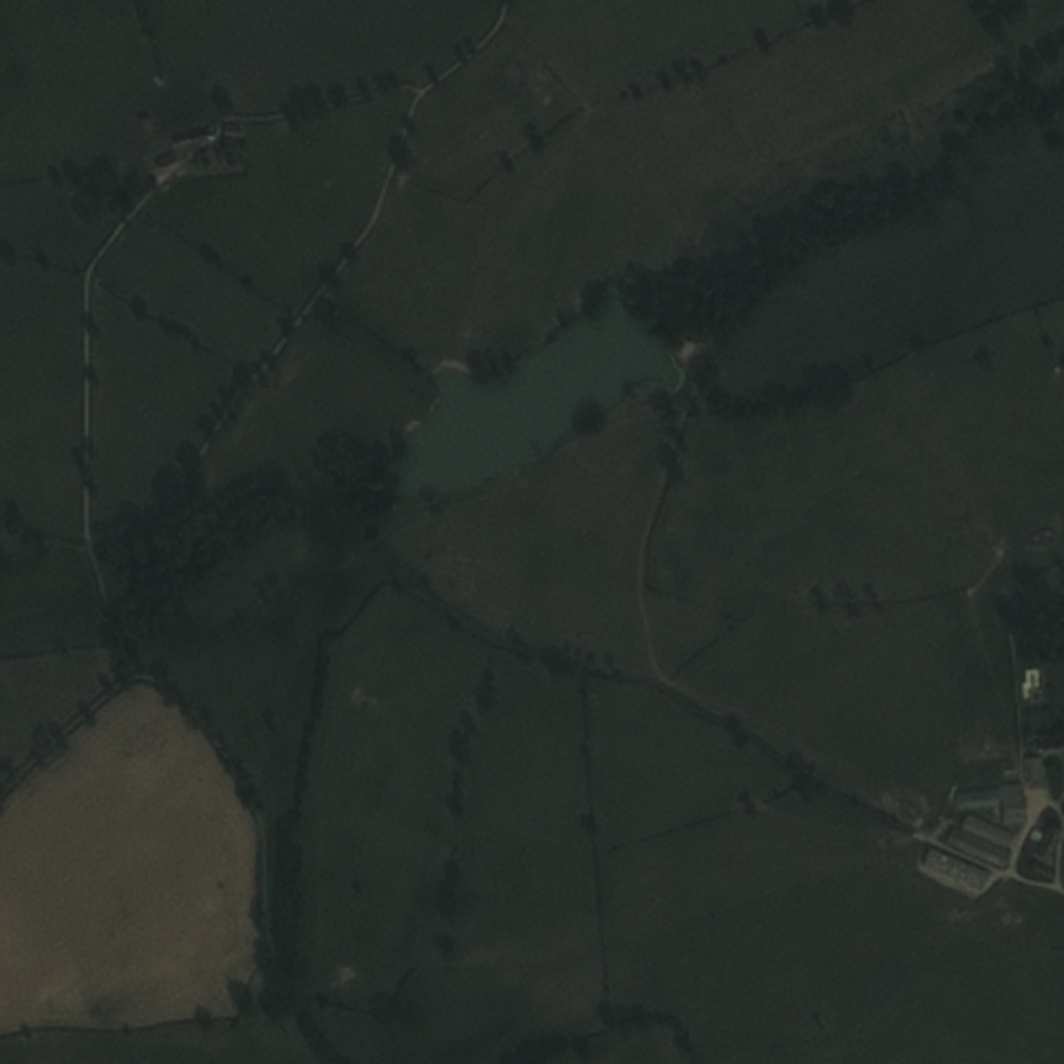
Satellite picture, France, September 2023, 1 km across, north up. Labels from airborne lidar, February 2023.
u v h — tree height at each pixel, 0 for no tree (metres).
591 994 0
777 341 0
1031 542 0
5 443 0
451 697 0
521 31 0
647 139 0
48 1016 0
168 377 0
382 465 25
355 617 0
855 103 0
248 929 0
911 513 0
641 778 0
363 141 0
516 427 0
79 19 0
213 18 0
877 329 0
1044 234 0
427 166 0
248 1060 0
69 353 0
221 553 29
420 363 20
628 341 0
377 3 0
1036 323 0
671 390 0
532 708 0
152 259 0
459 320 0
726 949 0
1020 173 0
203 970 0
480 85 0
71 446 0
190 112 0
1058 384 0
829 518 0
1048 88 0
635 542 0
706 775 0
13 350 0
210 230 0
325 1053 17
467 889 0
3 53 0
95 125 0
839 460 0
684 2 0
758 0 0
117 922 0
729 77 0
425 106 0
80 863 0
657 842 0
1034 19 0
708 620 0
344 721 0
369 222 0
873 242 0
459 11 0
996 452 0
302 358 0
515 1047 0
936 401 0
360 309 0
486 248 0
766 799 0
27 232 0
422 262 0
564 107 0
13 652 0
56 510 0
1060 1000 0
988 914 0
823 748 0
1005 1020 0
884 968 0
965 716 0
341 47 0
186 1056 0
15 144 0
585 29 0
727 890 0
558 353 0
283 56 0
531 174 0
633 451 0
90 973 0
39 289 0
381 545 12
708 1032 0
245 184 0
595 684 0
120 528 11
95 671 0
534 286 0
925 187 12
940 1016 0
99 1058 0
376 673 0
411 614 0
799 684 0
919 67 0
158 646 0
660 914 0
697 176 0
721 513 0
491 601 0
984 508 0
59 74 0
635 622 0
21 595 0
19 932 0
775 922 0
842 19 14
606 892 0
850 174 0
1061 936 0
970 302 0
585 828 9
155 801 0
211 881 0
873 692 0
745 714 0
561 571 0
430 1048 0
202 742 0
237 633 16
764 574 0
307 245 0
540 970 0
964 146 13
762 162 0
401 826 0
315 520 0
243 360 0
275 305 0
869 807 0
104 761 0
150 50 0
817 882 0
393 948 0
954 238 0
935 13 0
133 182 0
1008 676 0
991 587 0
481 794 0
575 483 0
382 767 0
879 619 0
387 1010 18
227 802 0
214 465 0
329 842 0
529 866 0
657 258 0
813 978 0
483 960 0
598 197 0
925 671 0
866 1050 0
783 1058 0
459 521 0
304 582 0
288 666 0
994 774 0
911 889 0
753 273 21
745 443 0
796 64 0
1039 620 20
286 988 16
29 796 0
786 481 0
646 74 0
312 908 0
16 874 0
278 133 0
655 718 0
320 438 0
